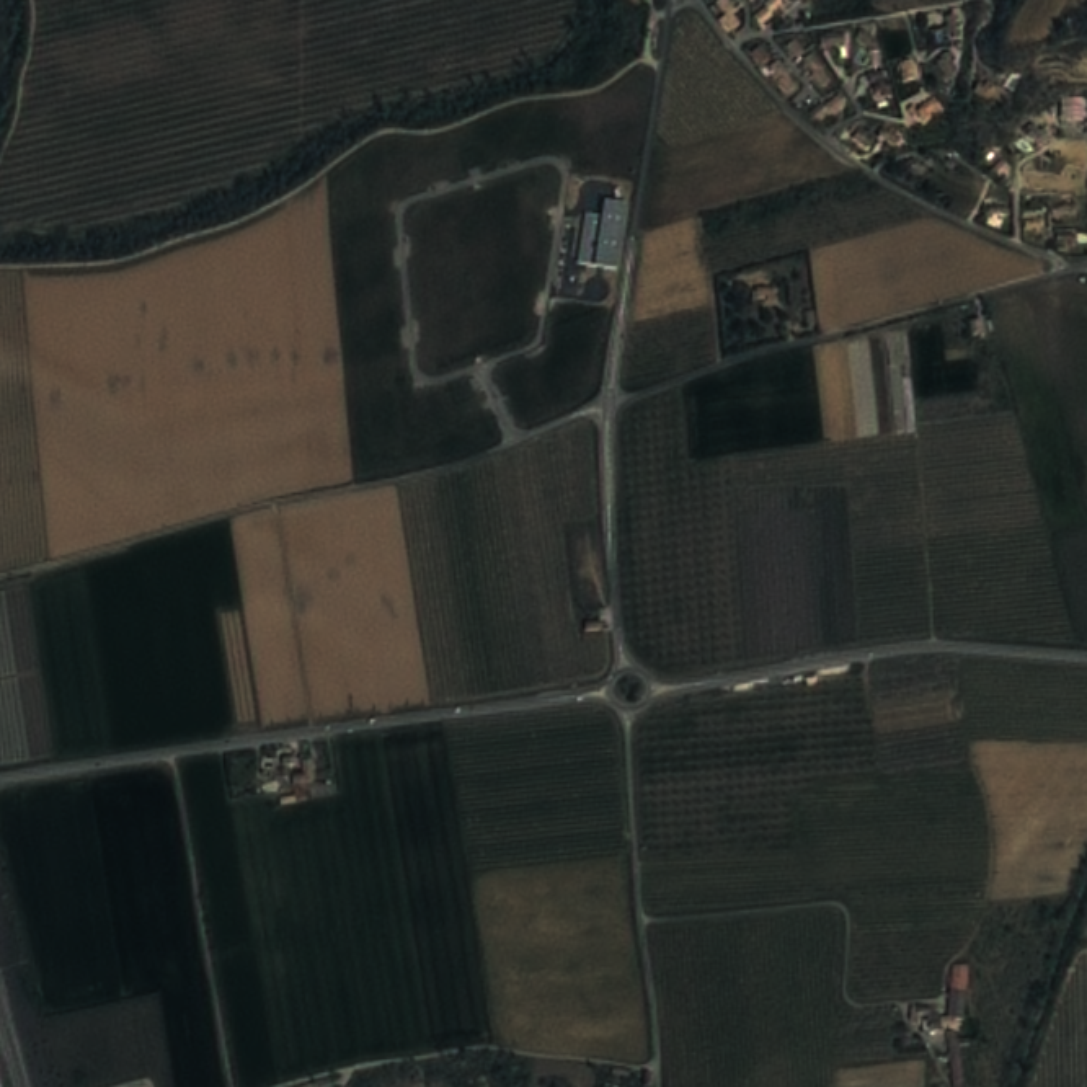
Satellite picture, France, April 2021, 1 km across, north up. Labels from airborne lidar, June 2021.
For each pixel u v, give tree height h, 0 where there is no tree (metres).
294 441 0
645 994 0
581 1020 0
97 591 0
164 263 0
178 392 0
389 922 0
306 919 0
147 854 0
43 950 0
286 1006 0
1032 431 0
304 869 0
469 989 0
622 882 0
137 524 0
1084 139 0
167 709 0
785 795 6
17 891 0
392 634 0
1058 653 0
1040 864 0
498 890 0
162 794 0
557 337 0
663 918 0
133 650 0
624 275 0
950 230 0
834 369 0
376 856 0
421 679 0
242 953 0
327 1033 0
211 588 0
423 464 0
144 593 0
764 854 0
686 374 0
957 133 9
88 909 0
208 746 0
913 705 0
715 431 0
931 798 0
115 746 0
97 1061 0
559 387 0
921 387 0
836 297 0
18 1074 0
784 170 0
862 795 0
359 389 0
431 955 0
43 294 0
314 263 0
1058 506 0
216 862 0
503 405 0
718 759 6
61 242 12
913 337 0
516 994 0
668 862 0
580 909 0
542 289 0
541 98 0
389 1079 13
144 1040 0
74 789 0
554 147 0
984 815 0
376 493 0
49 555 0
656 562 6
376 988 0
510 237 0
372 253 0
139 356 0
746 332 7
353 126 11
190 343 0
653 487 6
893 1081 0
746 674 0
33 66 5
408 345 0
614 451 0
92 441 0
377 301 0
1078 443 0
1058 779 0
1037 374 0
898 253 0
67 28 6
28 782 0
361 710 0
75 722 0
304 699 0
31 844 0
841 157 0
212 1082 0
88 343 0
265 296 0
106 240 15
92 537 0
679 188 0
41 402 0
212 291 0
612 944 0
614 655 0
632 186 0
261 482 0
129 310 0
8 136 6
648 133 0
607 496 0
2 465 0
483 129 0
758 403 0
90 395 0
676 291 0
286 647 0
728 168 0
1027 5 0
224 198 13
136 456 0
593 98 0
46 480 0
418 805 0
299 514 0
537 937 0
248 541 0
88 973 0
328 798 0
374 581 0
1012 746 0
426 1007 0
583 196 0
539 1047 0
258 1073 0
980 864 0
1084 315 0
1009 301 0
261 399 0
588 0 14
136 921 0
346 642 0
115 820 0
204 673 0
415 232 0
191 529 0
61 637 0
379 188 0
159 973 0
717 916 0
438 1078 10
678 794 7
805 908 0
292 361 0
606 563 0
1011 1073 17
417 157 0
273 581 0
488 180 0
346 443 0
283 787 7
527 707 0
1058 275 0
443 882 0
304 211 0
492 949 0
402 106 8
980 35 8
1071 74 0
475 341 0
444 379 0
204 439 0
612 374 0
